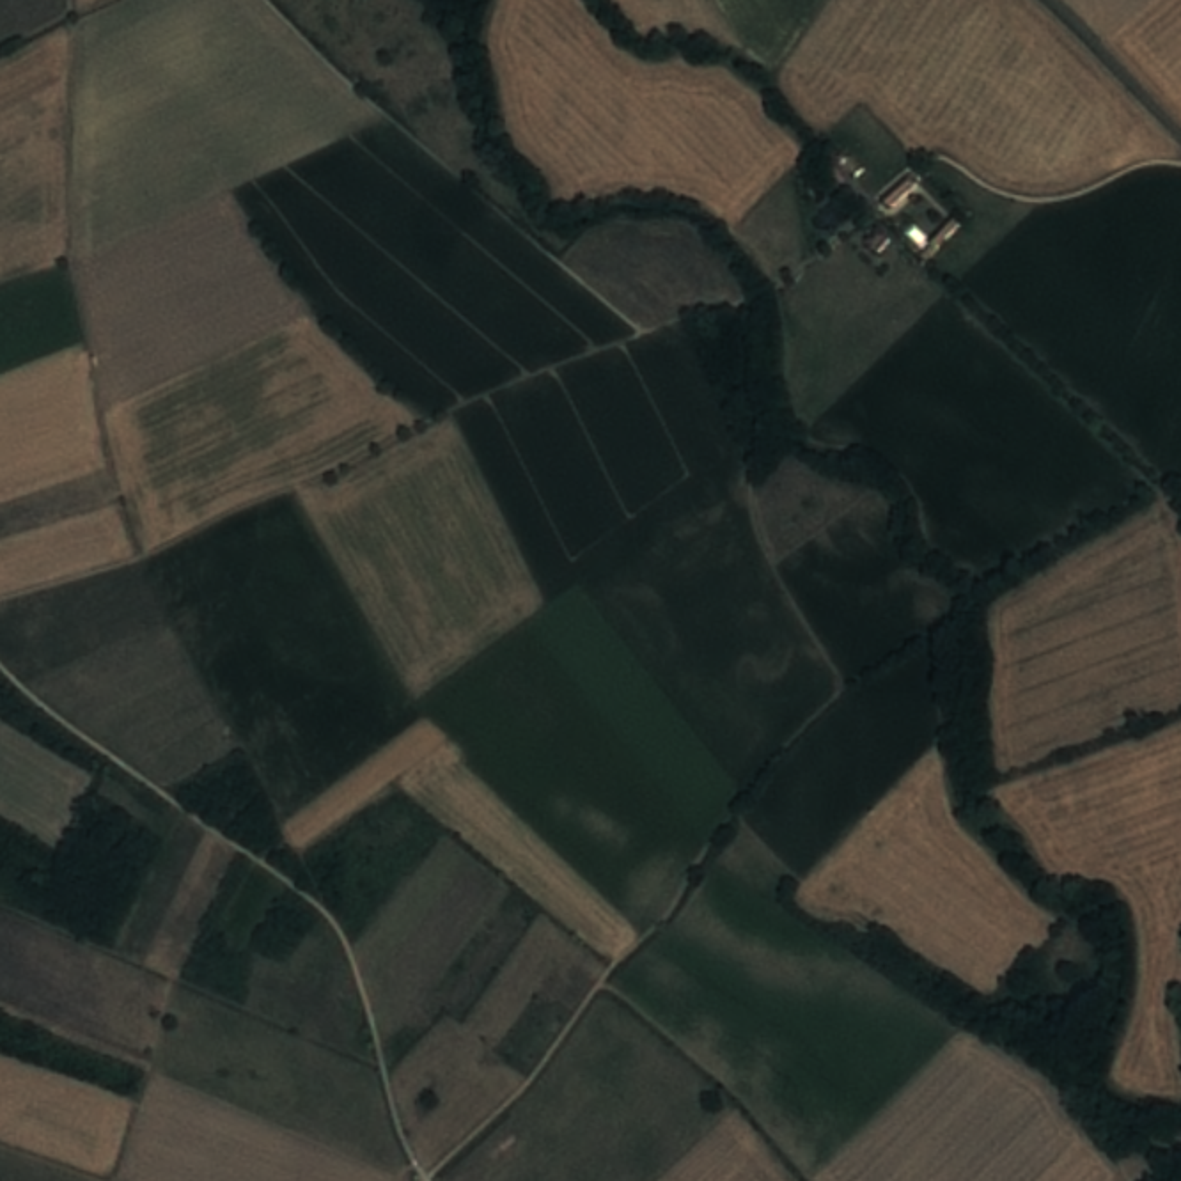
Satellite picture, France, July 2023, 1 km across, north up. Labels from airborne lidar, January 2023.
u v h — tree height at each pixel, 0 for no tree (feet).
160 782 0
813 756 0
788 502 0
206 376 0
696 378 0
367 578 0
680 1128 0
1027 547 0
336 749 0
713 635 0
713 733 0
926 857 0
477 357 0
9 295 0
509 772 0
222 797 41
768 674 0
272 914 26
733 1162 0
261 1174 0
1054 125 0
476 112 30
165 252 0
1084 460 0
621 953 0
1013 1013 60
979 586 31
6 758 0
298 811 0
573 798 0
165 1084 0
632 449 0
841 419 0
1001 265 0
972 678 52
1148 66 0
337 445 0
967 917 0
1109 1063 52
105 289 0
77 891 47
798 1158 0
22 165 0
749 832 0
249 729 0
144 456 0
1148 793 0
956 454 0
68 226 0
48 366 0
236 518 0
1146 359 0
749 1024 0
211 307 0
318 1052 0
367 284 0
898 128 0
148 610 0
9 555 0
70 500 0
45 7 0
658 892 0
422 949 0
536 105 0
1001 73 0
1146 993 0
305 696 0
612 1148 0
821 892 0
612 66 0
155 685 0
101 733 0
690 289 0
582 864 0
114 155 0
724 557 0
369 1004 0
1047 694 0
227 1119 0
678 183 0
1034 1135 0
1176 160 0
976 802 56
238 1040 0
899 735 0
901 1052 0
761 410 53
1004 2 0
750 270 40
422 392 0
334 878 31
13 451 0
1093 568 0
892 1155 0
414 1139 0
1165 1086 0
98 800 47
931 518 0
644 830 0
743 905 0
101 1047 0
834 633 0
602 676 0
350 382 0
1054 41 0
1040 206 0
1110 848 0
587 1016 0
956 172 0
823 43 0
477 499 0
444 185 0
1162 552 0
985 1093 0
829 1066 0
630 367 0
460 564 0
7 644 0
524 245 0
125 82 0
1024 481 0
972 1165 0
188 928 0
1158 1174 48
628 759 0
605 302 0
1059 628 0
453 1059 0
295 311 0
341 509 0
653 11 0
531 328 0
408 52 0
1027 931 0
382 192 0
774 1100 0
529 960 0
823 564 0
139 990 0
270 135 0
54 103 0
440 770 0
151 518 0
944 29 0
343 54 0
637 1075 0
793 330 0
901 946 40
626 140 0
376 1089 0
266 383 0
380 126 0
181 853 0
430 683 0
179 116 0
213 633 0
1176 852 0
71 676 0
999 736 0
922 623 0
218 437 0
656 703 0
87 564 0
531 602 0
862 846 0
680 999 0
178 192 0
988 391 0
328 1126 0
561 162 0
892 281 0
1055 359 0
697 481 0
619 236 0
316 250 0
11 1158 0
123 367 0
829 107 0
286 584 0
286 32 0
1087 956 0
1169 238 0
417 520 0
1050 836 0
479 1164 0
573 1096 0
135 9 0
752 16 0
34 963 0
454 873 0
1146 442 0
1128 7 0
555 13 0
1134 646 0
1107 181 0
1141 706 0
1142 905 0
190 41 0
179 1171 0
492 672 0
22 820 0
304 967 0
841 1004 0
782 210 0
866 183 0
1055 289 0
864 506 0
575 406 0
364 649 0
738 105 0
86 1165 0
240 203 0
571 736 0
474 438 0
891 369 0
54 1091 0
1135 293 0
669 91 0
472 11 71
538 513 0
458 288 0
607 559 0
